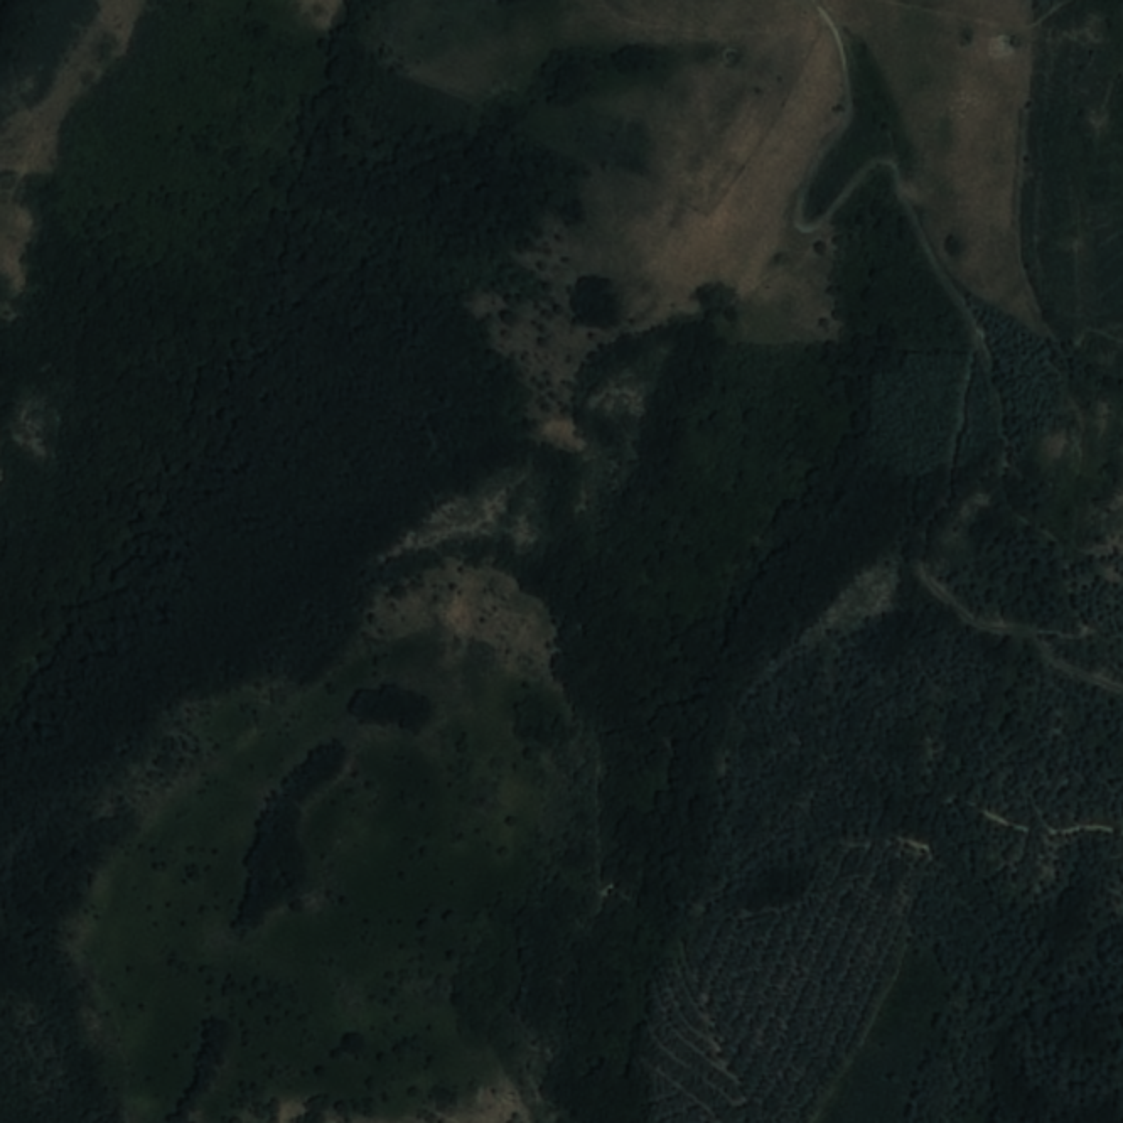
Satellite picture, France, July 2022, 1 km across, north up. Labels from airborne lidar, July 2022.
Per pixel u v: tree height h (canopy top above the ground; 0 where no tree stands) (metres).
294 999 9
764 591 18
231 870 0
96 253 12
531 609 0
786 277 0
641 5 0
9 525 20
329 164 14
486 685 0
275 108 7
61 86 0
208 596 19
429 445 16
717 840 15
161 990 0
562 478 15
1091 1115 20
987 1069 24
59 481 18
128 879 0
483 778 0
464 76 0
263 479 17
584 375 8
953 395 11
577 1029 20
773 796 16
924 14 0
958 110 0
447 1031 0
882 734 18
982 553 15
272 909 19
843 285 6
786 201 0
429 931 14
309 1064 0
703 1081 15
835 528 12
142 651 21
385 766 0
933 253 0
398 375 17
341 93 19
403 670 0
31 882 15
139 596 9
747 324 0
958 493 12
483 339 11
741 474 11
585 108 0
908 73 0
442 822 0
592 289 13
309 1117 10
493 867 0
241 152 14
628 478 8
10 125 0
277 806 17
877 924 15
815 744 16
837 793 15
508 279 6
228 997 11
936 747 11
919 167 0
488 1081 0
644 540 7
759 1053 13
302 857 18
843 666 12
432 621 0
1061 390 12
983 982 24
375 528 14
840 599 8
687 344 16
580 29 0
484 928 6
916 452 9
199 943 0
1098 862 20
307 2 0
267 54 7
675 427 11
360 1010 0
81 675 15
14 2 14
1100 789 16
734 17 0
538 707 7
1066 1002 12
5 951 16
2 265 0
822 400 8
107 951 0
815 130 0
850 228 8
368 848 0
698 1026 15
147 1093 0
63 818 12
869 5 0
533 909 9
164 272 14
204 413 19
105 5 0
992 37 0
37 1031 11
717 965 14
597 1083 25
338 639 12
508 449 14
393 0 0
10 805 17
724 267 0
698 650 22
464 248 7
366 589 9
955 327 8
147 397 14
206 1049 17
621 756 20
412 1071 0
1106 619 15
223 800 0
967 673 18
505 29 0
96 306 25
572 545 13
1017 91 0
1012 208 0
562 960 12
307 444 17
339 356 17
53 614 24
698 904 18
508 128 11
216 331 17
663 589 8
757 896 20
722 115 0
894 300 6
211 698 13
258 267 8
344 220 8
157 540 19
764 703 13
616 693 22
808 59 0
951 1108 17
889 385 12
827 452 10
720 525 9
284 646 11
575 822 7
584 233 0
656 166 0
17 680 14
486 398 11
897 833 18
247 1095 8
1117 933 16
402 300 10
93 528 12
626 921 19
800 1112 9
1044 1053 22
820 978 14
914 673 17
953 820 24
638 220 0
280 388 20
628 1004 19
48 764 19
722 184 0
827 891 13
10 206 0
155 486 23
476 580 0
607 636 25
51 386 13
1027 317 0
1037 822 16
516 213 10
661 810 23
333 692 9
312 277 13
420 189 23
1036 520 6
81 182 8
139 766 8
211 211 7
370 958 0
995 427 13
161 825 0
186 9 6
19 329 12
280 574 20
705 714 18
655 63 8
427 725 15
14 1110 10
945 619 15
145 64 0
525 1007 15
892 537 13
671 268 0
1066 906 19
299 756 0
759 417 19
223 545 25
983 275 0
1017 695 17
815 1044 13
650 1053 15
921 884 8
